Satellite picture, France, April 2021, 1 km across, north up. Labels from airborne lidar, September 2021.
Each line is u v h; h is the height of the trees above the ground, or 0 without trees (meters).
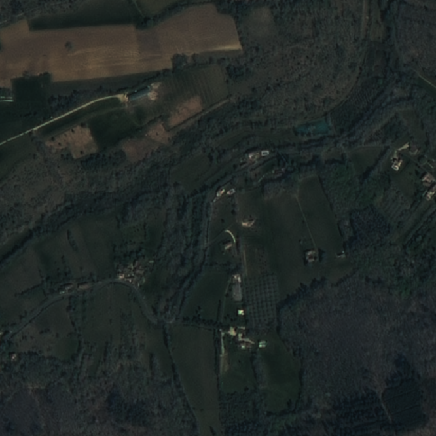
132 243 7
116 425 15
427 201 6
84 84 0
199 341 0
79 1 11
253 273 0
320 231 0
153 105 0
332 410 9
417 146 15
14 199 17
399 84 13
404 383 14
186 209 20
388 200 12
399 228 7
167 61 0
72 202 18
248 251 0
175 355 0
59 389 18
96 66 0
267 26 0
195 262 15
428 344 13
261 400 16
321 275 0
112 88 0
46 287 9
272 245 0
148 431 27
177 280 6
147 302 0
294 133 0
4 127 0
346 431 19
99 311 0
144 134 0
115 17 0
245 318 12
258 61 10
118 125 0
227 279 0
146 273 11
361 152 0
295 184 23
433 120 21
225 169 0
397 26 17
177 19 0
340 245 0
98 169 14
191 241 10
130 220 19
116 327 0
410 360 18
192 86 0
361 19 11
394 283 20
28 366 17
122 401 26
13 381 20
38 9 7
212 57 0
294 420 21
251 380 0
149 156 12
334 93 11
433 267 17
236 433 13
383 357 12
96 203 16
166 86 0
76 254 0
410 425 12
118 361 11
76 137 0
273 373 0
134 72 0
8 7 15
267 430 18
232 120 17
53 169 15
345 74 15
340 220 9
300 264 0
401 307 18
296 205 0
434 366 14
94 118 0
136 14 0
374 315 17
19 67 0
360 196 21
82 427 14
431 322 13
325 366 16
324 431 12
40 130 0
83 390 20
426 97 18
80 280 6
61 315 0
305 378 22
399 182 0
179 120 0
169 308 9
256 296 7
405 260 18
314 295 22
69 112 12
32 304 0
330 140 11
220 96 0
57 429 9
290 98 18
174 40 0
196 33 0
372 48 0
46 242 0
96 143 0
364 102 19
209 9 0
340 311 13
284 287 0
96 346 8
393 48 14
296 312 20
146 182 13
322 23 15
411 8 9
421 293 17
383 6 20
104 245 0
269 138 0
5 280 0
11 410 14
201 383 0
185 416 14
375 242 21
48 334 13
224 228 0
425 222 6
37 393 8
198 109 0
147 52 0
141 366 13
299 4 19
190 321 8
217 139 16
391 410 10
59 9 12
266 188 19
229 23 0
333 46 15
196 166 0
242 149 11
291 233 0
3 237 21
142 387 24
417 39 14
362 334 15
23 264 0
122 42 0
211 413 0
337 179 22
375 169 13
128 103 0
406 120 0
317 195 0
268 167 0
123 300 0
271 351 0
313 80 16
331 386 20
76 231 0
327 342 16
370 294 20
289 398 0
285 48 10
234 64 9
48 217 15
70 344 0
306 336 17
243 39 9
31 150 0
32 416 14
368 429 13
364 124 17
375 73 0
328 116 14
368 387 14
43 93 0
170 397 21
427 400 6
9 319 0
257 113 17
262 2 12
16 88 0
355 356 20
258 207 0
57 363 21
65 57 0
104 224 0
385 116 15
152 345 0
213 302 0
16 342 0
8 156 0
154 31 0
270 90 11
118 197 13
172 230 11
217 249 0
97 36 0
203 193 14
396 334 18
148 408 21
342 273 0
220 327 8
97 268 0
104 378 11
